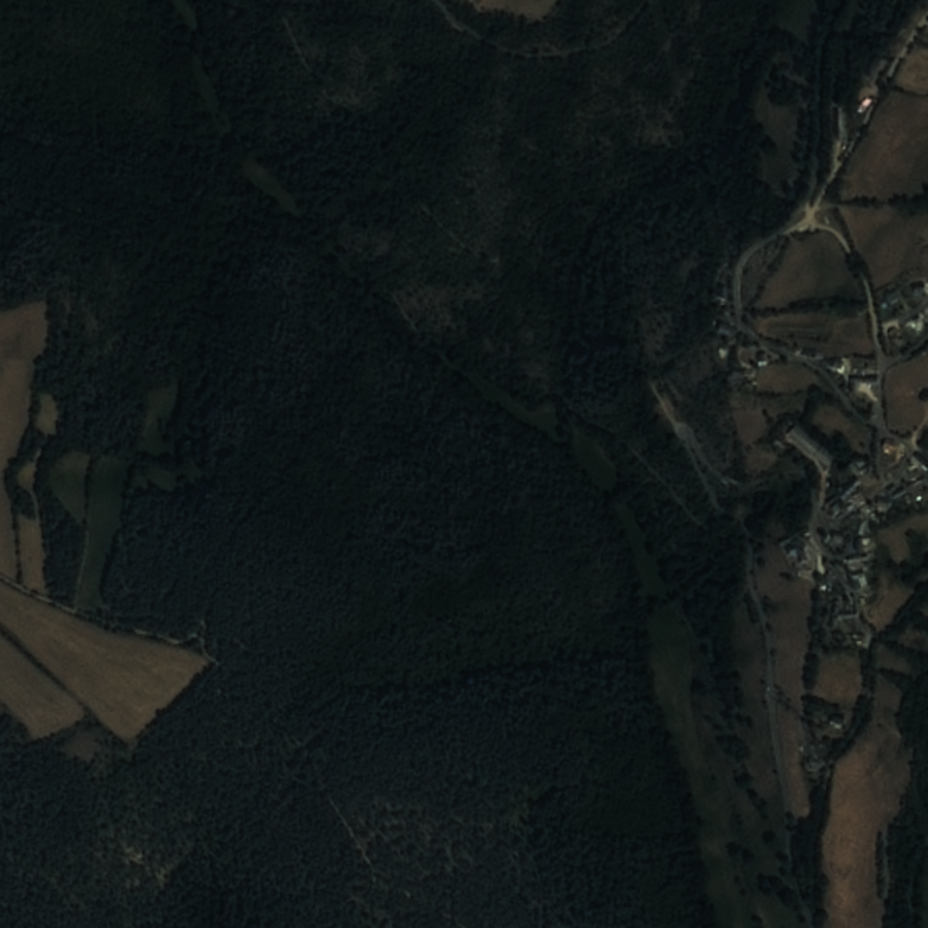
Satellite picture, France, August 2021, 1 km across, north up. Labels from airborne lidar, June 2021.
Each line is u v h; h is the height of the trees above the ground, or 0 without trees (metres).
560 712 17
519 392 17
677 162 23
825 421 0
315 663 14
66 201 13
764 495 9
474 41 9
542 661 15
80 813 11
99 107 20
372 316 17
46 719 0
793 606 0
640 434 14
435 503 17
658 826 10
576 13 10
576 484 13
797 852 8
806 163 13
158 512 16
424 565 17
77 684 0
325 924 15
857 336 0
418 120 15
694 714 0
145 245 10
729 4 14
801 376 0
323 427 16
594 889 24
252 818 17
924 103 0
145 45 17
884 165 0
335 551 17
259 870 12
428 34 13
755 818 0
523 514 13
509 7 0
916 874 13
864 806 0
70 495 0
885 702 0
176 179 18
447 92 11
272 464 11
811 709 12
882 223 0
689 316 8
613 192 9
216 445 23
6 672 0
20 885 9
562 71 14
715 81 12
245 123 15
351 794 9
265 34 12
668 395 7
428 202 8
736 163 18
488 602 15
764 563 7
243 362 11
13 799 9
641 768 6
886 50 7
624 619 17
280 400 14
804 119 12
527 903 19
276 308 12
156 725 14
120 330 11
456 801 9
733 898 0
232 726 14
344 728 21
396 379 6
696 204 14
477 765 12
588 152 10
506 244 12
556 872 24
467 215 5
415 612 18
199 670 0
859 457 11
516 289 10
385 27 13
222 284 24
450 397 14
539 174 14
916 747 10
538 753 23
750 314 8
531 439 15
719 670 11
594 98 9
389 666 15
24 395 0
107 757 6
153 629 12
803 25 0
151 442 0
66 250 10
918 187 0
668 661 0
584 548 7
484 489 13
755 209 10
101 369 9
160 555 15
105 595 11
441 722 23
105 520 0
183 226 16
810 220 0
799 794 0
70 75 15
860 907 0
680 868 19
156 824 14
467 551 17
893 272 0
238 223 16
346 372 21
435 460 19
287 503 17
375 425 14
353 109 8
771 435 7
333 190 31
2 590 0
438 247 7
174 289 20
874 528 6
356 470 10
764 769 0
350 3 13
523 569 12
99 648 0
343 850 11
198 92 17
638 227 10
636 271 9
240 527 21
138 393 15
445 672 19
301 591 14
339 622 14
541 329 8
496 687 30
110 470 0
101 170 18
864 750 0
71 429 18
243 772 14
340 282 15
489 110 6
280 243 11
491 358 15
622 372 28
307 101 9
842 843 0
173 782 12
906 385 0
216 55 19
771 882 9
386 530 17
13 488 12
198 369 21
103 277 6
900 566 7
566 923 19
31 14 9
